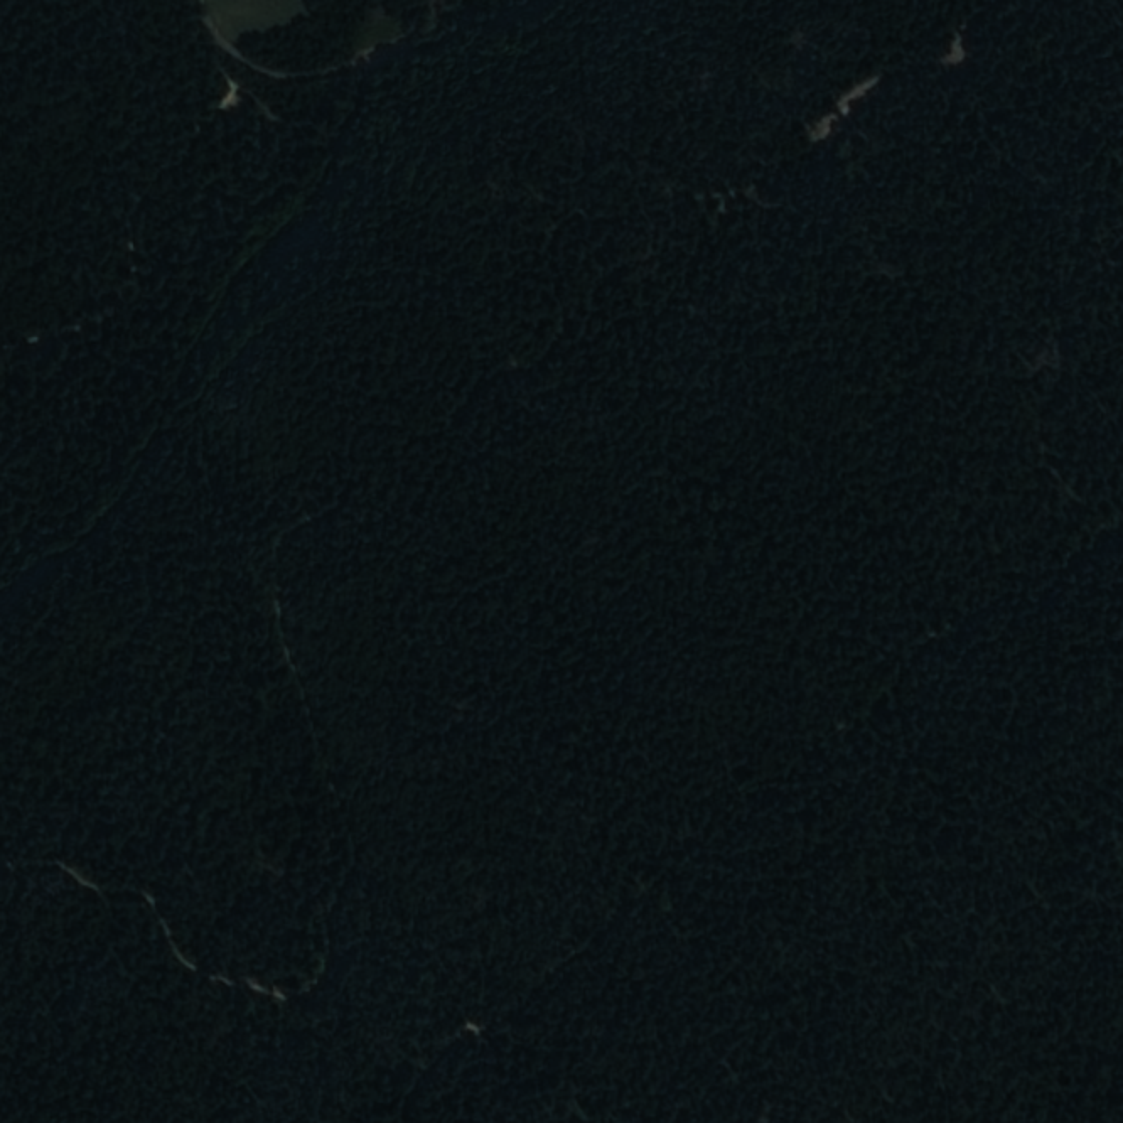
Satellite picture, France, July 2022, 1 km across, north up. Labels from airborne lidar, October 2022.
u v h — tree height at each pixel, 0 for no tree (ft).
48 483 20
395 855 43
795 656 75
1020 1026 53
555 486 58
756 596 71
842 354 66
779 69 82
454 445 55
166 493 75
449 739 73
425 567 69
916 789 106
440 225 78
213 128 64
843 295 70
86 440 81
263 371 53
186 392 68
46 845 54
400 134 72
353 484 76
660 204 35
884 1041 82
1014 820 101
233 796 50
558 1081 74
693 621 56
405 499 62
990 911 71
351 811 76
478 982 96
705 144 72
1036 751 112
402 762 56
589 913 41
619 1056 40
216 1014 71
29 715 43
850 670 68
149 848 74
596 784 29
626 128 78
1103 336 77
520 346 63
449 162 70
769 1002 80
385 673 51
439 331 68
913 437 48
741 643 54
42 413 46
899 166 33
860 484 32
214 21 0
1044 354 33
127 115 63
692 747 54
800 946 72
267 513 23
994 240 89
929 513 69
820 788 60
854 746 34
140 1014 77
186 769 51
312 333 72
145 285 57
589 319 78
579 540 58
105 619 56
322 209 81
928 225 71
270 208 103
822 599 75
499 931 39
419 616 73
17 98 87
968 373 76
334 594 48
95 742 39
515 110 81
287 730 74
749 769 73
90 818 49
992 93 101
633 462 80
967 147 91
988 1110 86
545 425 56
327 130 59
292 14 0
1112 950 71
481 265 59
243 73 38
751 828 67
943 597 38
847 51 64
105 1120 77
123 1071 73
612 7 77
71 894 66
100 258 28
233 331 75
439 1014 38
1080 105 81
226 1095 82
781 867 60
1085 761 55
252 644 19
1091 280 52
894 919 51
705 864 79
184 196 103
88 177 25
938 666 94
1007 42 63
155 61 48
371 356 49
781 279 74
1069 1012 60
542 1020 52
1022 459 103
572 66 76
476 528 71
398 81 77
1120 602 72
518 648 52
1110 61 82
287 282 89
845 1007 65
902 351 50
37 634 55
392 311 62
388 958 60
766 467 51
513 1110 43
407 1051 65
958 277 67
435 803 76
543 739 57
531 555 68
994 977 78
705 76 76
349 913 81
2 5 71
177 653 47
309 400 59
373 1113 67
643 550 68
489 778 59
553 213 43
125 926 71
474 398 64
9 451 117
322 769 26
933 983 53
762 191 83
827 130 0
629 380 79
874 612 65
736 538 90
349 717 46
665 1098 87
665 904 65
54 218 44
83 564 80
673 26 79
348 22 27
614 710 44
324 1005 71
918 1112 60
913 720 85
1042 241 69
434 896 35
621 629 69
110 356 71
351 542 41
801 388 20
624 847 60
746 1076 63
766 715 60
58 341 99
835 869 79
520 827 55
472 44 79
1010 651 74
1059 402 109
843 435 67
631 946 65
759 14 83
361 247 76
